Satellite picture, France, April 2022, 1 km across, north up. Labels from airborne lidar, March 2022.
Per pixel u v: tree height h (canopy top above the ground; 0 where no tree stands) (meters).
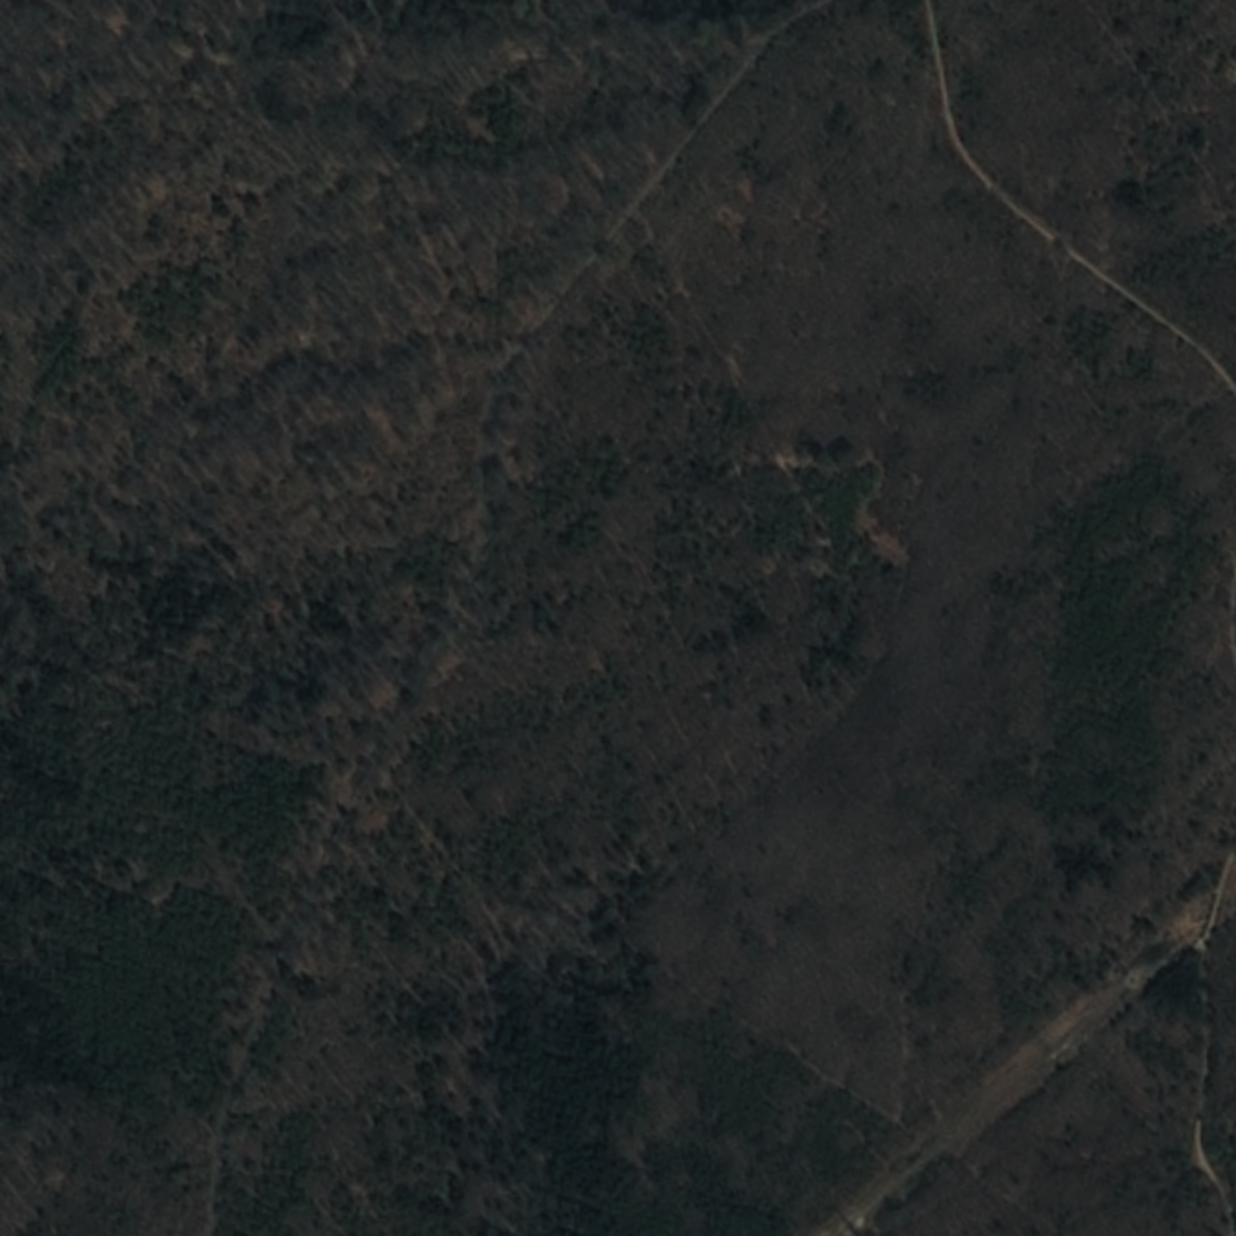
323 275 25
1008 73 13
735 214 7
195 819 13
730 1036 11
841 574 8
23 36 28
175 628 11
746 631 13
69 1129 16
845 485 9
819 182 10
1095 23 11
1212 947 14
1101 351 13
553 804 12
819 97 10
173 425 31
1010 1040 13
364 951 11
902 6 10
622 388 13
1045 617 14
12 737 11
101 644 7
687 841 9
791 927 13
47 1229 8
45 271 31
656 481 8
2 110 27
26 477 26
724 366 17
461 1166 8
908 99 10
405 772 13
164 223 7
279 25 22
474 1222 11
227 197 16
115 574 14
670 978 12
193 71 8
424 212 6
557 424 14
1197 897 12
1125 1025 13
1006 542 10
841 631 13
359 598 17
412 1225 11
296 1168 13
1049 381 10
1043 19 14
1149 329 11
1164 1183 12
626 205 27
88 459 28
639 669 13
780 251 10
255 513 24
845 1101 12
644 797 15
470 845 9
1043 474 13
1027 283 13
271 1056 13
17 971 6
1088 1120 12
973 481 15
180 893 10
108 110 27
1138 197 17
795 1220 16
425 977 8
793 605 9
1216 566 8
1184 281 13
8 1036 13
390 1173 10
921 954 14
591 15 31
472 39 27
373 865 32
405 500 12
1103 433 11
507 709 14
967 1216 15
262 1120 8
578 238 27
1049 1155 12
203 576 26
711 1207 19
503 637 13
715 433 15
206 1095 13
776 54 11
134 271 26
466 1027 9
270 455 28
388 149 27
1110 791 14
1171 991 15
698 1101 11
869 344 14
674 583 14
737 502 14
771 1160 18
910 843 13
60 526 27
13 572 21
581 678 12
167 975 8
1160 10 8
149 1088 12
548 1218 15
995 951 14
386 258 26
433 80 26
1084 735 14
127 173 26
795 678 10
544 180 25
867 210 12
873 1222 0
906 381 9
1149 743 14
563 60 27
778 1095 13
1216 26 10
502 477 26
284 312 28
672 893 16
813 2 20
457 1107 11
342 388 29
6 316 23
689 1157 13
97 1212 9
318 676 29
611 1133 26
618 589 10
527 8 28
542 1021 16
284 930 24
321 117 24
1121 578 15
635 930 13
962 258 14
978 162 11
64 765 12
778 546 16
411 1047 15
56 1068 14
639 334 10
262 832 14
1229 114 8
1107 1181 9
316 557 9
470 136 12
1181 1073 10
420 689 29
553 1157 20
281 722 30
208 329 15
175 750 14
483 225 29
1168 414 8
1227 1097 14
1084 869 16
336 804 7
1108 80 12
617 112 13
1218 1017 13
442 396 27
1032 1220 11
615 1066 22
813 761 10
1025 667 17
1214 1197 18
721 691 10
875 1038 12
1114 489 15
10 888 13
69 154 26
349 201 23
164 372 9
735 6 11
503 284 8
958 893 13
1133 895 11
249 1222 14
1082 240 13
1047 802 13
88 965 13
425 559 8
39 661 11
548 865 10
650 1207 18
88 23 22
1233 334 15
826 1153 13
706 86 26
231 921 12
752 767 12
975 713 13
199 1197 8
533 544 10
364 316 25
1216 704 11
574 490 7
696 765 11
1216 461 12
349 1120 9
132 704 7
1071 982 7
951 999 13
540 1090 25
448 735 11
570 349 11
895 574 16
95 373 12
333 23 25
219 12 25
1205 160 6
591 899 27
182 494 28
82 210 31
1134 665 13
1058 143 13
